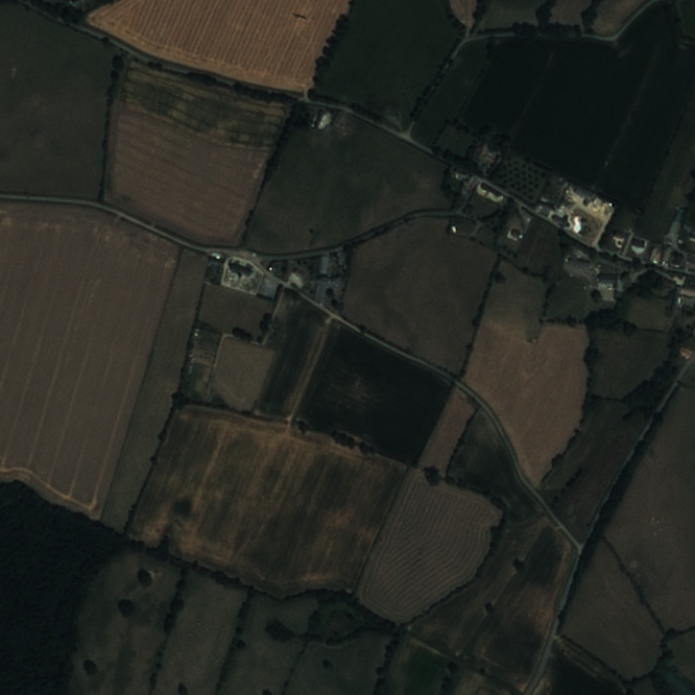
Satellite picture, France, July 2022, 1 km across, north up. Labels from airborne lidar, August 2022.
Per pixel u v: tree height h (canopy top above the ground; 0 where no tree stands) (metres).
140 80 0
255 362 0
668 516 0
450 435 0
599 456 0
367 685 0
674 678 0
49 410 0
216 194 0
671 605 0
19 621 16
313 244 0
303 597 7
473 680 0
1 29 0
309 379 0
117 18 0
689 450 0
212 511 0
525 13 0
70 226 0
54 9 14
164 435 8
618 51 0
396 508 0
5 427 0
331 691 0
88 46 0
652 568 0
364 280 0
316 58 0
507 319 0
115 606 0
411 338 0
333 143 0
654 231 0
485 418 0
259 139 0
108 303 0
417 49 0
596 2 8
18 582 17
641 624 0
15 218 0
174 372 0
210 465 0
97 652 0
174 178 0
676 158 0
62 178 0
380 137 0
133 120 0
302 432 10
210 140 0
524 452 0
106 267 0
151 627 0
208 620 0
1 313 0
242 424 0
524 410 0
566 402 0
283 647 0
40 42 0
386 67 0
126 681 0
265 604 0
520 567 17
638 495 0
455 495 0
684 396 0
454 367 0
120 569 0
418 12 0
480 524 0
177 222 0
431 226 0
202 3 0
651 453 0
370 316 0
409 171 0
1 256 0
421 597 0
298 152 0
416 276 0
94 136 0
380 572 0
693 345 0
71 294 0
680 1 0
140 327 0
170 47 0
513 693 0
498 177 9
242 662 0
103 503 0
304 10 0
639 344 0
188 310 0
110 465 0
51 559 12
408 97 0
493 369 0
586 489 0
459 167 13
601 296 13
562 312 0
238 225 0
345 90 0
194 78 11
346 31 12
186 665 0
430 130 0
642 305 0
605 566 0
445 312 0
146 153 0
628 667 0
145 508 0
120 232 0
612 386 0
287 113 0
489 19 0
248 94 8
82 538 22
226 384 0
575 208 0
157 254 0
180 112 0
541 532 0
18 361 0
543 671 0
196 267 0
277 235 0
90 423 0
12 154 0
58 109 0
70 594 17
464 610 0
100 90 0
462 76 0
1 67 0
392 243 0
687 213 8
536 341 0
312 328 0
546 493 0
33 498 14
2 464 0
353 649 0
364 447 14
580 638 0
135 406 0
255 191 0
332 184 0
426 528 0
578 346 0
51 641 19
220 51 0
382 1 0
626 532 0
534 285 0
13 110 0
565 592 0
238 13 0
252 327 0
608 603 0
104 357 0
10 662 18
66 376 0
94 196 0
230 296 0
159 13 0
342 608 0
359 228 0
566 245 17
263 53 0
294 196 0
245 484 0
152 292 0
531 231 0
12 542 16
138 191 0
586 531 0
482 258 0
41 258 0
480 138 11
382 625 10
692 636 0
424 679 0
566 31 16
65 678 24
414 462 7
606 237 11
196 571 8
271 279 0
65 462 0
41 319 0
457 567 0
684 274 6
